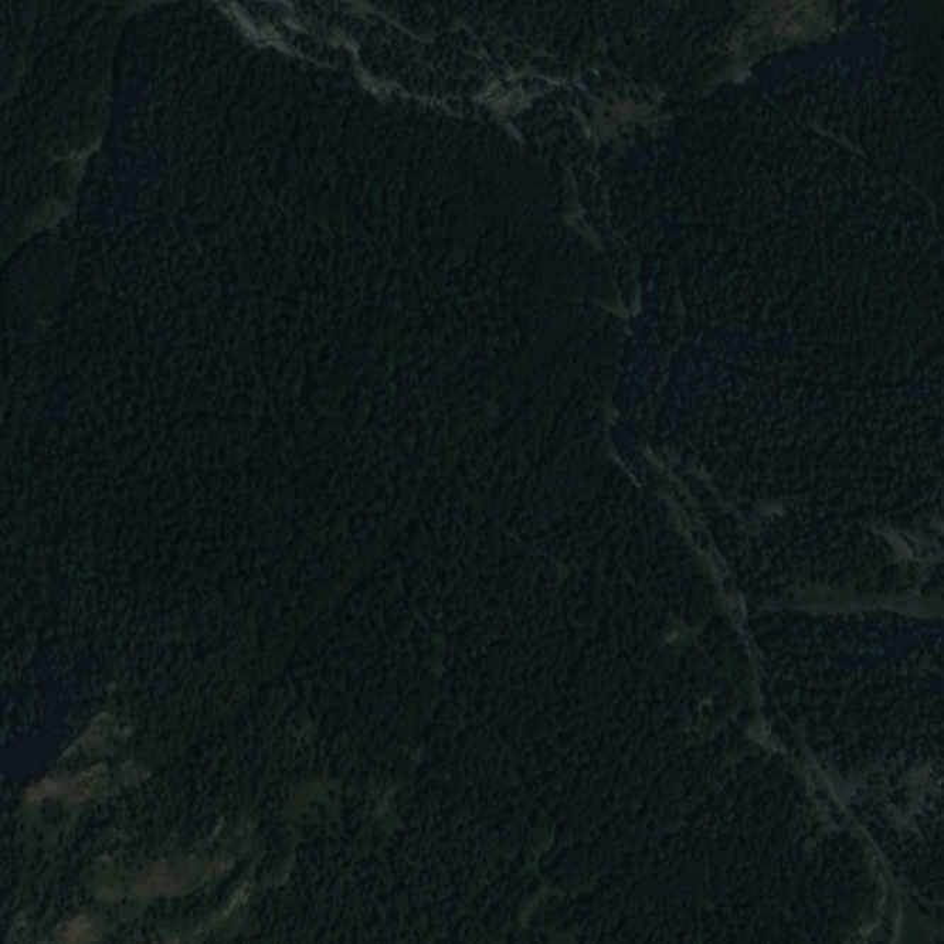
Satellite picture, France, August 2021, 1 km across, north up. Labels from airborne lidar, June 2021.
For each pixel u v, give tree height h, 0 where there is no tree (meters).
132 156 15
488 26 29
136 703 13
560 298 20
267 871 13
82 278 18
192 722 13
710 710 20
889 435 36
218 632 28
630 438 16
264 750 30
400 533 12
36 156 21
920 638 16
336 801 9
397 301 32
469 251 21
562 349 18
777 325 10
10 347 11
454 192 23
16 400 6
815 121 33
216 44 28
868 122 26
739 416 27
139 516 20
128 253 22
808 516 7
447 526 24
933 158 22
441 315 23
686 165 27
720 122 21
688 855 24
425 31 13
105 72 29
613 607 10
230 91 29
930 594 19
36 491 17
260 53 19
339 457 28
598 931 28
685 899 30
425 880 29
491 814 22
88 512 19
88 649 6
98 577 10
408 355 17
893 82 35
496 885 14
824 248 19
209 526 17
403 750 6
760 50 10
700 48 21
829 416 22
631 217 29
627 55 13
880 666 9
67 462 20
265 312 35
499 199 19
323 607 8
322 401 25
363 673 16
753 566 7
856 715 12
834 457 24
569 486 28
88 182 7
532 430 28
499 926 24
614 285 19
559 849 18
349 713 25
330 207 17
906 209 17
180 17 27
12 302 20
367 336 23
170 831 8
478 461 19
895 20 19
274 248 37
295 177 31
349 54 20
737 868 23
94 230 12
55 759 7
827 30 6
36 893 9
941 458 30
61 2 15
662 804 24
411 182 23
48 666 7
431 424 11
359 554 11
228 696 6
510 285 20
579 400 25
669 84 16
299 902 15
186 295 36
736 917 15
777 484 12
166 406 15
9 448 8
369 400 14
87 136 15
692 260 28
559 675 26
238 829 10
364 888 18
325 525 13
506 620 24
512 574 19
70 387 20
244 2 13
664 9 26
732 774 21
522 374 16
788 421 34
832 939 16
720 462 17
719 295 14
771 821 20
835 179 15
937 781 11
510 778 21
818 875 18
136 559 13
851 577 24
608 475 12
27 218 12
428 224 24
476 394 23
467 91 16
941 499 34
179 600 16
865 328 23
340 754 26
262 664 16
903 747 7
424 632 28
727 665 13
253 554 17
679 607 25
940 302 23
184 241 10
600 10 19
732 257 15
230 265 25
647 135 13
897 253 27
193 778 8
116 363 17
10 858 12
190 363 31
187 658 31
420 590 32
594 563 32
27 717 25
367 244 10
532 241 25
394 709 14
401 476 28
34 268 17
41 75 13
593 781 30
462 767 19
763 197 30
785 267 16
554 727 21
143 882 0
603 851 21
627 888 23
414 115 20
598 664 22
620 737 30
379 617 14
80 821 7
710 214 26
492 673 26
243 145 27
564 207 32
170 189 33
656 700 18
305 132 32
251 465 10
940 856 19
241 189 28
